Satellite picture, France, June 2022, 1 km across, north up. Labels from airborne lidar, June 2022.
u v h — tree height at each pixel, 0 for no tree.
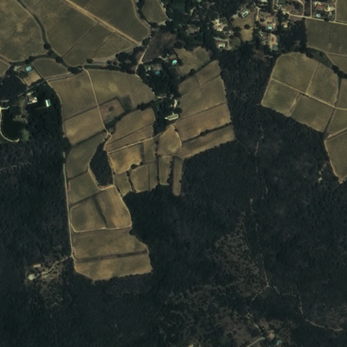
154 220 11
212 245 8
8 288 6
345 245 10
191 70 9
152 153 0
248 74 9
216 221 12
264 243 7
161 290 9
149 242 9
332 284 7
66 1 0
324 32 0
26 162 6
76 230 0
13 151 10
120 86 0
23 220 10
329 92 0
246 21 0
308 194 10
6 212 6
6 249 6
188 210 6
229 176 6
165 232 14
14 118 10
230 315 5
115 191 0
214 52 8
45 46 11
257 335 6
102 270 0
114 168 0
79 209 0
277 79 0
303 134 7
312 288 6
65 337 12
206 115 0
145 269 0
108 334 10
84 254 0
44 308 10
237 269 6
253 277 5
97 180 7
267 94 0
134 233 12
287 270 8
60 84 0
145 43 11
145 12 0
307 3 6
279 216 6
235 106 9
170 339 11
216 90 0
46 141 9
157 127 12
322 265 11
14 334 14
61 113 8
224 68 8
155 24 15
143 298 11
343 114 0
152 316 7
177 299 11
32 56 10
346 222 13
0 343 7
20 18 0
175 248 8
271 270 8
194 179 9
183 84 0
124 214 0
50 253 5
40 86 10
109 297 8
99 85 0
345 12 0
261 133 9
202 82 0
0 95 14
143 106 15
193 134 0
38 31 0
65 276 6
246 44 8
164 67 13
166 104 11
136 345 9
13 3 0
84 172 0
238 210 6
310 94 0
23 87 13
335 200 10
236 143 6
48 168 17
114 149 0
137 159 0
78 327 11
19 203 10
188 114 0
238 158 6
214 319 6
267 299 6
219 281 10
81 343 7
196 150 0
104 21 0
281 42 10
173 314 9
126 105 0
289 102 0
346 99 0
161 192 12
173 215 6
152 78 12
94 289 7
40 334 10
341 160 0
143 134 0
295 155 9
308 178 11
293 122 8
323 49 0
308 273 8
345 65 0
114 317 6
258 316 8
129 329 6
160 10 0
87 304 7
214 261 8
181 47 11
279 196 11
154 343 9
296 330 6
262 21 9
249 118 7
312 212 11
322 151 6
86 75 0
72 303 11
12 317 12
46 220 10
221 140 0
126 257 0
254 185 6
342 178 0
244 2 11
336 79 0
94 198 0
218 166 6
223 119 0
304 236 6
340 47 0
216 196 7
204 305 7
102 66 6
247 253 6
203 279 6
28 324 8
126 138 0
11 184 13
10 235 12
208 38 13
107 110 0
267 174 9
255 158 6
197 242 8
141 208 8
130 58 12
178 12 14
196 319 10
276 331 8
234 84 11
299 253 6
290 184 8
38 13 0
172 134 0
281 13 9
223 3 10
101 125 0
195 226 6
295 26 10
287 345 10
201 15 9
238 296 10
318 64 0
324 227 9
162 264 12
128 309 8
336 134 0
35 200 14
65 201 10
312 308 10
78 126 0
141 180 0
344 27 0
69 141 9
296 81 0
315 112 0
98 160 8
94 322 6
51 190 10
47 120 17
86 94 0
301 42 10
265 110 6
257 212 6
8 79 12
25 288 8
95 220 0
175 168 0
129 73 14
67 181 0
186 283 9
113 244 0
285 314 8
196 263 8
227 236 7
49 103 0
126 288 6
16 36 0
